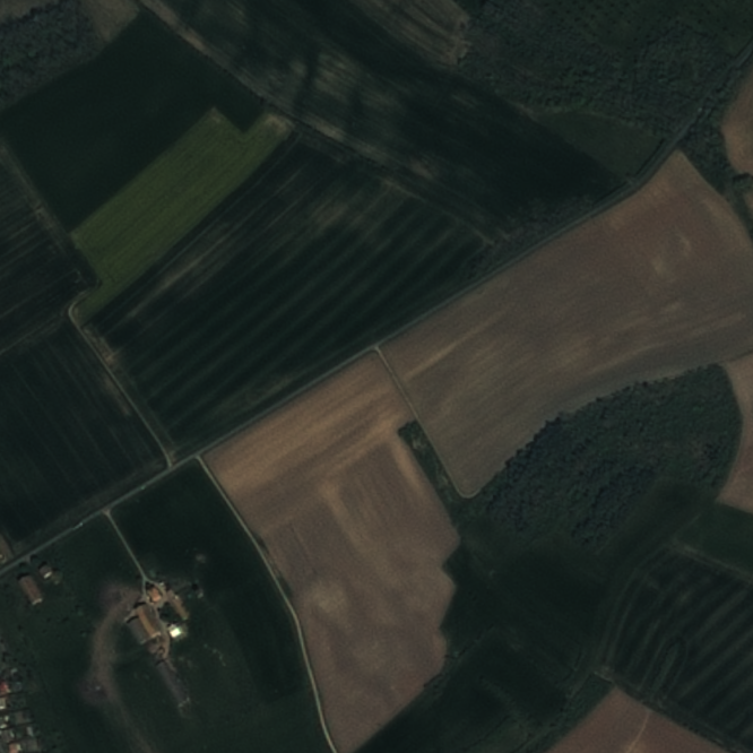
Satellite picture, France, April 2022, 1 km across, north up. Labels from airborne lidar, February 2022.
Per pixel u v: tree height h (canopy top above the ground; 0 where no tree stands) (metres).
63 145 0
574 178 0
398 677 0
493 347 0
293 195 0
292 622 0
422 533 0
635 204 0
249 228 0
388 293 0
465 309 0
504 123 0
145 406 0
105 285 0
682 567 0
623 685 0
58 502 0
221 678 0
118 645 0
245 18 0
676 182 0
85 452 0
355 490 0
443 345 0
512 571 0
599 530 14
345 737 0
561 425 13
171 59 0
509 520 9
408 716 0
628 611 0
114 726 0
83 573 0
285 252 0
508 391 0
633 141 0
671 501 0
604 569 0
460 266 0
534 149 0
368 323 0
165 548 0
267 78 0
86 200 0
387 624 0
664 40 13
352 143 0
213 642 0
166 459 0
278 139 0
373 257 0
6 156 0
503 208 0
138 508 0
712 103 12
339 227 0
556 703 0
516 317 0
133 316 0
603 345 0
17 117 0
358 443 0
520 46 8
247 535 0
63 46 26
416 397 0
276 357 0
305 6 0
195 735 0
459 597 0
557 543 0
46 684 0
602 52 12
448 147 0
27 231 0
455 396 0
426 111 0
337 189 0
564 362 0
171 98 0
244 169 0
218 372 0
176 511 0
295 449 0
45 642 0
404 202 0
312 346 0
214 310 0
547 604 0
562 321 0
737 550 0
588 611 0
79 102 0
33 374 0
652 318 0
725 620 0
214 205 0
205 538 0
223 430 0
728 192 0
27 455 0
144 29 0
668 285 0
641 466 8
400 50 0
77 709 0
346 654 0
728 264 0
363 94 0
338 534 0
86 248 0
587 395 0
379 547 0
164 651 0
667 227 0
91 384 0
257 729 0
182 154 0
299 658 0
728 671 0
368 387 0
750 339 0
